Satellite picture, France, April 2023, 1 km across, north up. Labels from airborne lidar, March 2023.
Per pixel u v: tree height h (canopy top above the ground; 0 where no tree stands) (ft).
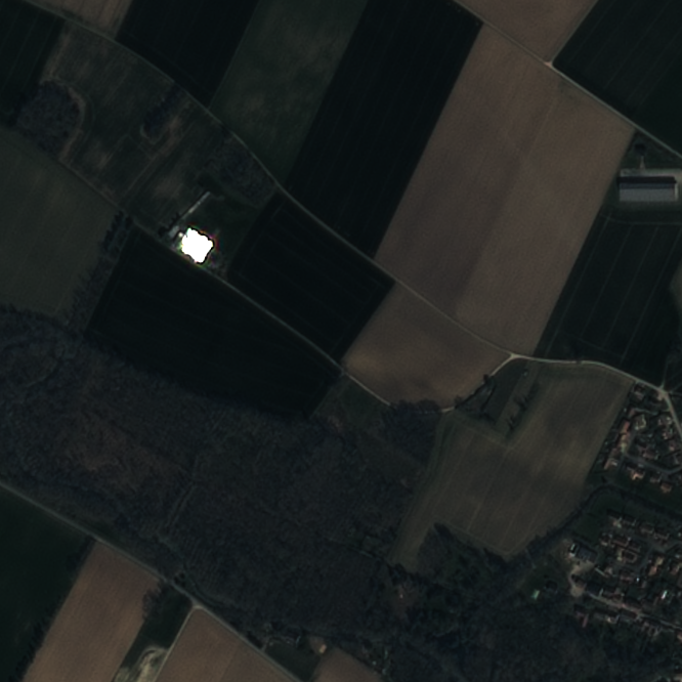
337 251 0
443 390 0
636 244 0
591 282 0
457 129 0
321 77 0
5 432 47
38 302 0
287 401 0
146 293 0
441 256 0
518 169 0
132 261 0
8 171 0
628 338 0
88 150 0
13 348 69
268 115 0
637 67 0
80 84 0
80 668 0
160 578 0
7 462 72
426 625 41
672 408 0
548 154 0
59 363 77
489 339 0
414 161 0
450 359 0
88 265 0
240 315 0
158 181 0
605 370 0
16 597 0
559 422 0
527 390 0
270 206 0
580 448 0
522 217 0
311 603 42
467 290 0
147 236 0
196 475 52
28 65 0
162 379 64
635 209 0
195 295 0
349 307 0
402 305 0
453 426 0
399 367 0
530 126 0
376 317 0
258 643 39
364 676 0
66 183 0
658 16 0
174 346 0
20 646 0
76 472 62
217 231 0
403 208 0
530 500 0
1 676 0
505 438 0
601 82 0
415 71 0
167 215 0
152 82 0
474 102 0
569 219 0
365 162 0
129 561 0
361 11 0
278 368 0
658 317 0
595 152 0
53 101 78
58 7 0
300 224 0
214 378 0
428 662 70
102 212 0
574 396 0
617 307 0
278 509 72
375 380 0
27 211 0
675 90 0
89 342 80
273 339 0
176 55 0
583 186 0
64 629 0
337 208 0
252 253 0
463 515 0
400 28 0
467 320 0
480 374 0
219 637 0
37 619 0
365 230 0
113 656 0
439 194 0
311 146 0
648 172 0
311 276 0
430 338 0
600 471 0
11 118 0
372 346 0
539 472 0
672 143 0
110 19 0
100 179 0
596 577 0
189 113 0
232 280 0
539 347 0
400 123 0
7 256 0
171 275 0
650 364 0
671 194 0
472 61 0
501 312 0
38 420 72
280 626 63
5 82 0
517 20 0
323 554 58
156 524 97
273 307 0
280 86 0
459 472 0
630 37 0
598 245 0
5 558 0
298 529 62
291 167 0
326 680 0
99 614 0
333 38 0
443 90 0
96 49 0
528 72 0
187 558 55
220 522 50
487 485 0
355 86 0
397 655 78
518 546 0
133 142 0
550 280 0
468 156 0
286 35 0
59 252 0
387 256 0
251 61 0
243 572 114
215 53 0
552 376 0
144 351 0
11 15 0
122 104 0
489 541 0
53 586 0
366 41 0
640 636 24
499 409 0
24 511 0
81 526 0
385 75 0
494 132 0
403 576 63
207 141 0
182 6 0
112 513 103
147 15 0
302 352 0
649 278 0
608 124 0
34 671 0
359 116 0
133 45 0
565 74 0
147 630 0
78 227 0
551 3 0
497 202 0
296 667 0
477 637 69
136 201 0
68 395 66
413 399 0
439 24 0
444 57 0
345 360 0
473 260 0
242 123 0
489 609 82
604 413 0
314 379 0
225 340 0
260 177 57
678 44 0
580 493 0
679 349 56
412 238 0
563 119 0
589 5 0
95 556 0
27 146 0
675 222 0
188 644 0
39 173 0
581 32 0
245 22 0
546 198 0
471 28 0
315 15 0
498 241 0
